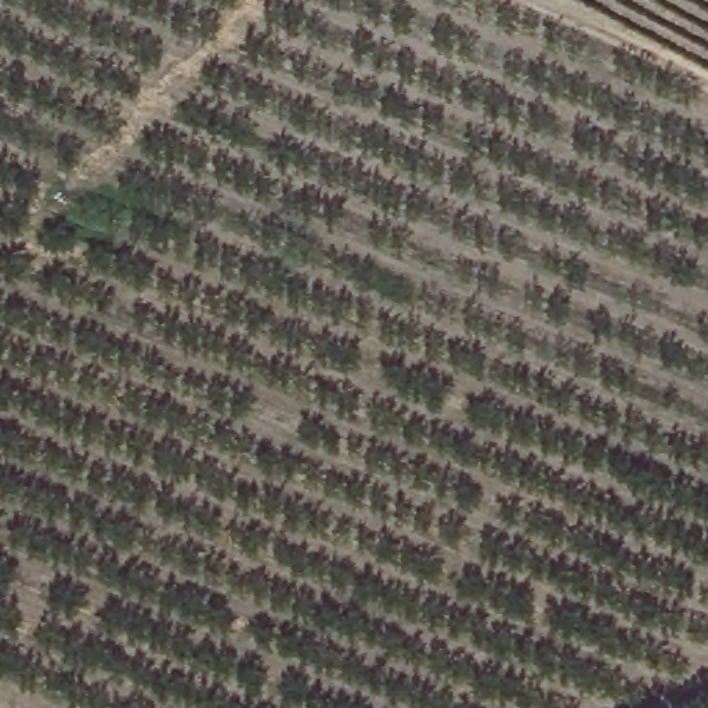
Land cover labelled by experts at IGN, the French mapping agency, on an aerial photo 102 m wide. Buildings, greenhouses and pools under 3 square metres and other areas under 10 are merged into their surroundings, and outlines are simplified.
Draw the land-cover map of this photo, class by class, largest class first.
<instances>
[{"label":"deciduous trees","instance_id":"1","mask_svg":"<svg viewBox=\"0 0 708 708\"><path fill-rule=\"evenodd\" d=\"M415 58H423L426 64L420 69V80L431 91L451 94V89H459L462 102L467 108L476 102L484 105L490 116H506L512 124H525L545 136H559V116L550 108H545L542 102L520 100L501 86L503 75H528V83L534 89H545L556 100L595 108L600 116L614 119L611 130H600L589 124V119H575L572 147L578 152H586L608 163H620L625 171L636 174L647 185L686 191L694 202L708 205V130L689 119L691 102L700 94V80L694 75L658 66L655 58L644 50L642 55H633L622 47L603 44L575 28L559 25L545 14L520 8L512 0H0V678L19 683V689L25 691L47 694L44 708H708V407L680 398L675 387L644 384L636 379L633 368H622V362L614 357H595L592 351L603 337L620 340L622 346H631L636 354L658 357L664 368H686L689 379L708 382V357L689 351L672 332L653 335L650 326L636 329L633 324L642 310H647L683 324L702 340H708V313L675 310L664 304L661 293H653L650 288L636 282L620 285L606 274L592 271L589 263H584L575 254L567 257L553 249H531L525 243V235L509 227H492L487 218L473 216L462 207H448L445 199H429L415 183L420 174L440 180L443 171H451L454 191H467L478 202H495L520 218H534L542 230L564 232L572 241L595 246L597 252L628 257L636 266L653 268L658 277H669L675 285H694L708 290V274L700 271V266L686 254V249H672L669 243L647 246L644 238L655 230H675L678 238H694V243L708 246V218L686 216L678 207L672 210L664 199L639 196L631 188H620L617 180L584 171L570 160L556 163L545 152L520 147L514 138H503L501 130L490 136L487 130H478L470 122L465 124L456 116L443 113V108L431 102L407 100V94L395 91L393 86L371 83L368 75L371 69H382L387 61H398V75L412 80ZM478 158H490L501 166H514L520 174L539 177L542 183H553L561 191H575L578 196L600 202L606 210L628 213L644 218L647 224L642 230H625L620 224L597 227L575 205H550L548 199L509 180H481L473 169ZM310 218H324L326 224H335L337 232H354L362 241H371L382 249H412V257L418 263L437 268L448 277L459 274L462 285H478L473 288V296L459 299L440 293L434 282H409L407 277L382 268L371 257L348 254L337 246L324 243L318 235L310 232ZM415 221L437 224L456 241L501 249L509 260L517 257L525 260L531 268L550 271L559 277L556 288L550 293L542 285H512L501 279L498 266L492 263L445 257L440 249H429L412 238L409 230ZM304 263L332 268L335 274L354 279L360 288L379 290L384 299H393L398 304L423 301V307L431 315L465 324L467 329L484 332L498 343H509L512 348H534L542 360H559V365L572 368L581 376L600 379L606 387H620L628 395H639L672 412L689 415L700 420V434L664 431L655 420L642 418V412L633 407L617 409L614 404L581 393L570 382L553 384V379L545 371H528V365L523 362L506 365L495 360L492 368H484V351L478 343L448 337L440 329L415 321H401L382 310V340L398 337V343L409 346L415 337L426 340V354L415 365H407L398 354H382L384 382L401 390V395L423 401L429 409H440L443 404L448 409L465 407V429L456 431L445 420L423 418L415 409L395 404L393 398H371V448L365 456V470H326L321 467V459L293 454L285 445L288 434L299 429L304 443L324 445L326 451L337 454V429L324 423V418L313 415L310 409L301 412L296 407V390L318 384L321 404H337V415L354 412L360 390L348 379H343V371L357 368L360 340L337 337L326 329L313 332L304 321L279 318L271 307H260L241 290L207 285L199 279L205 268H216L221 271V277H230V268L241 266L243 282L266 288L277 296H288V304H301L315 310L318 315H332L337 324L348 310H357V329H368L371 299L351 296L348 290H332L324 282H307L304 277H299Z\"/></svg>","mask_w":708,"mask_h":708},{"label":"plowed land","instance_id":"2","mask_svg":"<svg viewBox=\"0 0 708 708\"><path fill-rule=\"evenodd\" d=\"M426 64L423 58H415L412 80L398 75V61H387L382 69H371L368 75L371 83L393 86L395 91L407 94V100L431 102L443 108V113L456 116L465 124L470 122L478 130H487L490 136L501 130L503 138H514L520 147L545 152L556 163L570 160L584 171L617 180L620 188H631L639 196L664 199L672 210L678 207L686 216L708 218V205L694 202L686 191L647 185L636 174L625 171L620 163H608L586 152H578L572 147L575 119H589V124L600 130H611L614 119L600 116L595 108L556 100L545 89H534L528 83V75H503L501 86L520 100L542 102L545 108H550L559 116V136H545L525 124H512L506 116H490L484 105L476 102L467 108L462 102L459 89H451V94L431 91L420 80V69ZM473 169L481 180H509L548 199L550 205H575L597 227L620 224L625 230H642L647 224L644 218L628 213L606 210L600 202L578 196L575 191H561L553 183H542L539 177L520 174L514 166H501L490 158H478ZM429 199H445L448 207H462L473 216L487 218L492 227H509L525 235V243L531 249H553L567 257L575 254L584 263H589L592 271L606 274L620 285L636 282L650 288L653 293H661L664 304L675 310L708 313V290L694 285H675L669 277H658L653 268L636 266L628 257L597 252L595 246L572 241L564 232L542 230L534 218H520L495 202H478L467 191H454L451 171H443L440 180L420 174L415 183ZM310 232L318 235L324 243L337 246L348 254L371 257L382 268L407 277L409 282H434L440 293L459 299L473 296V288L478 285H462L459 274L448 277L437 268L418 263L412 257V249H382L371 241H362L354 232H337L335 224H326L324 218H310ZM412 238L429 249H440L445 257L492 263L498 266L501 279L512 285H542L550 293L556 288L559 277L550 271L531 268L525 260L517 257L509 260L501 249L456 241L437 224L415 221L409 230ZM647 246L669 243L672 249H686V254L700 266V271L708 274V246L694 243V238H678L675 230H655L644 238ZM299 277H304L307 282H324L332 290H348L351 296L371 299L368 329H357V310H348L337 324L332 315H318L315 310L301 304H288V296H277L266 288L243 282L241 266L230 268V277H221V271L216 268H205L199 279L207 285L241 290L260 307H271L279 318L304 321L313 332L326 329L337 337L360 340L357 368L343 371V379H348L360 390L354 412L337 415V404H321L318 384L296 390V407L301 412L310 409L313 415L324 418V423L337 429V454L326 451L324 445L304 443L299 429L288 434L285 445L293 454L321 459V467L326 470H365V456L371 448V398H393L395 404L415 409L423 418L445 420L456 431L465 429V407L448 409L443 404L440 409H429L423 401L401 395V390L384 382L382 354H398L407 365H415L426 354V340L415 337L409 346L398 343V337L382 340V310L401 321H415L440 329L448 337L478 343L484 351V368H492L495 360L506 365L523 362L528 365V371H545L553 379V384L570 382L581 393L614 404L617 409L633 407L642 412V418L655 420L664 431L700 434V420L689 415L672 412L639 395H628L620 387H606L600 379L581 376L572 368L559 365V360H542L534 348H512L509 343H498L484 332L467 329L465 324L431 315L423 307V301L398 304L393 299H384L379 290L360 288L354 279L335 274L332 268L304 263ZM636 329L650 326L653 335L672 332L689 351L708 357V340H702L683 324L647 310H642L633 324ZM595 357H614L622 362V368H633L636 379L644 384L675 387L680 398L708 407V382L689 379L686 368H664L658 357L636 354L631 346H622L620 340L603 337L592 351ZM47 694L25 691L19 689V683L0 678V708H44Z\"/></svg>","mask_w":708,"mask_h":708},{"label":"vineyard","instance_id":"3","mask_svg":"<svg viewBox=\"0 0 708 708\"><path fill-rule=\"evenodd\" d=\"M620 22L622 28L683 55L686 61H694L702 69H708V0H575Z\"/></svg>","mask_w":708,"mask_h":708},{"label":"pervious surface","instance_id":"4","mask_svg":"<svg viewBox=\"0 0 708 708\"><path fill-rule=\"evenodd\" d=\"M520 8L545 14L559 25L575 28L603 44L622 47L633 55H642L644 50L655 58L658 66L694 75L700 80V94L691 102L689 119L708 130V69H702L694 61H686L683 55L622 28L620 22L575 0H512Z\"/></svg>","mask_w":708,"mask_h":708}]
</instances>
